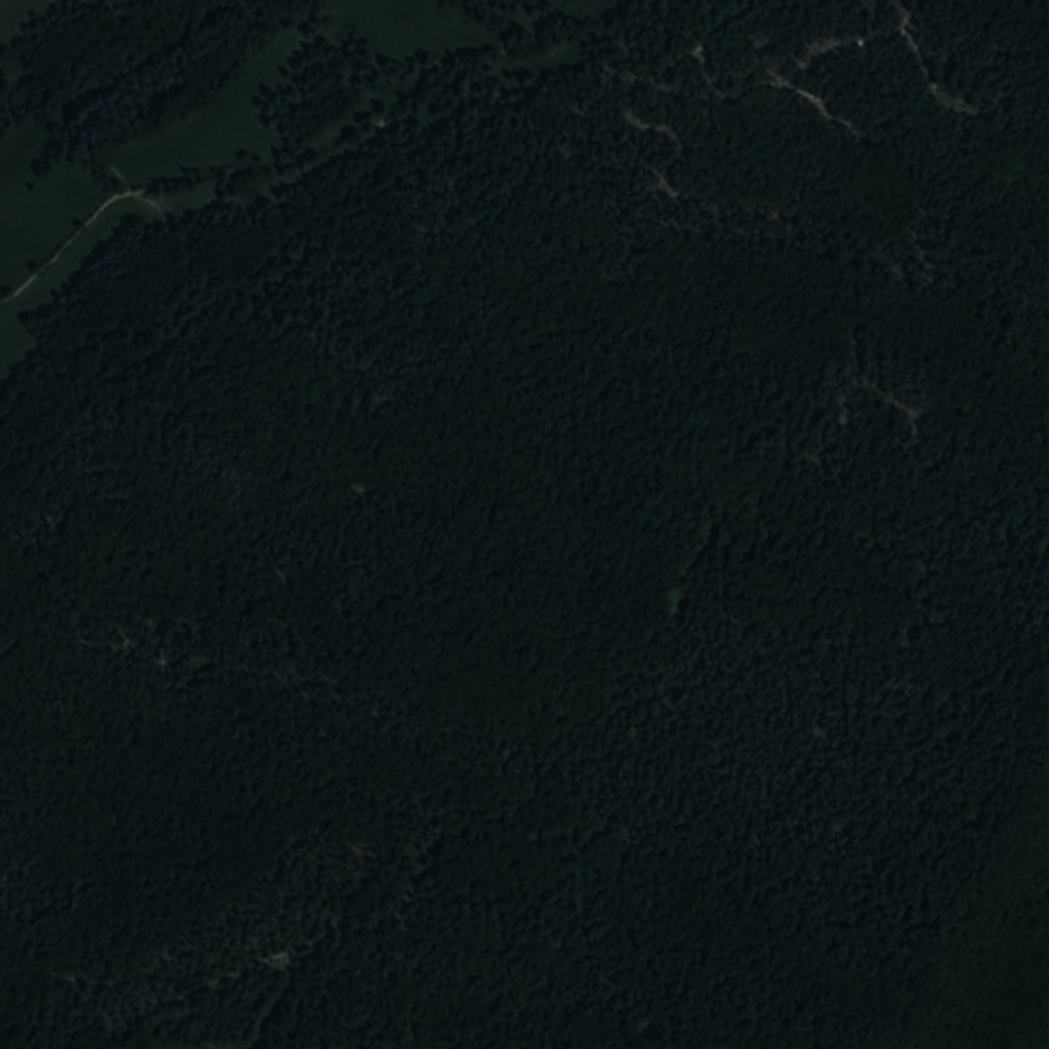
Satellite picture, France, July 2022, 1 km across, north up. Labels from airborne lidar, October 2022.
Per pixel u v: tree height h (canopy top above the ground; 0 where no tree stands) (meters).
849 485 16
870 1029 18
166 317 23
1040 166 13
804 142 19
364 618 16
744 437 20
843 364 21
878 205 22
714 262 21
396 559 22
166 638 20
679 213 24
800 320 25
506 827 18
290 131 17
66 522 24
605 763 15
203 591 17
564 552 16
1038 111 23
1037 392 22
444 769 17
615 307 22
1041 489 20
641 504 11
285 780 18
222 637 20
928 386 24
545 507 20
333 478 18
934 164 20
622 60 22
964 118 19
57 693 13
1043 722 19
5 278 0
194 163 0
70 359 23
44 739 22
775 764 16
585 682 20
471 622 20
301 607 19
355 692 17
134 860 22
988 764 19
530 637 22
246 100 0
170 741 16
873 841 19
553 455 16
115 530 23
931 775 19
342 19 0
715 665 11
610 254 17
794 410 24
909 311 24
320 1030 20
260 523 21
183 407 22
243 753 19
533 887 18
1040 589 19
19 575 25
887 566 21
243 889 18
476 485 28
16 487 25
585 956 20
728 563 20
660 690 13
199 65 32
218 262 19
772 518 18
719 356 13
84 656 15
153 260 21
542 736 17
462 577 20
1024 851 15
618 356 14
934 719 19
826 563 16
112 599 21
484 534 19
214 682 18
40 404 22
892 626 16
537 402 19
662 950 19
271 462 19
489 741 17
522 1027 14
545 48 18
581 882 15
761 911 20
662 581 20
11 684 18
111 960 17
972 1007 17
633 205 24
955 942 18
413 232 24
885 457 16
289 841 19
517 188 17
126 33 21
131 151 0
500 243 20
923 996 19
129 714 16
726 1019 16
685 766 15
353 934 21
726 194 18
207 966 17
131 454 18
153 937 21
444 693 16
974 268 20
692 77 19
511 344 16
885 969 20
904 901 16
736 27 17
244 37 33
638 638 21
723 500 13
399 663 16
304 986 25
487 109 22
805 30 18
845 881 18
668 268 20
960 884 17
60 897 18
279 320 17
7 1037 19
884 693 12
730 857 21
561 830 13
